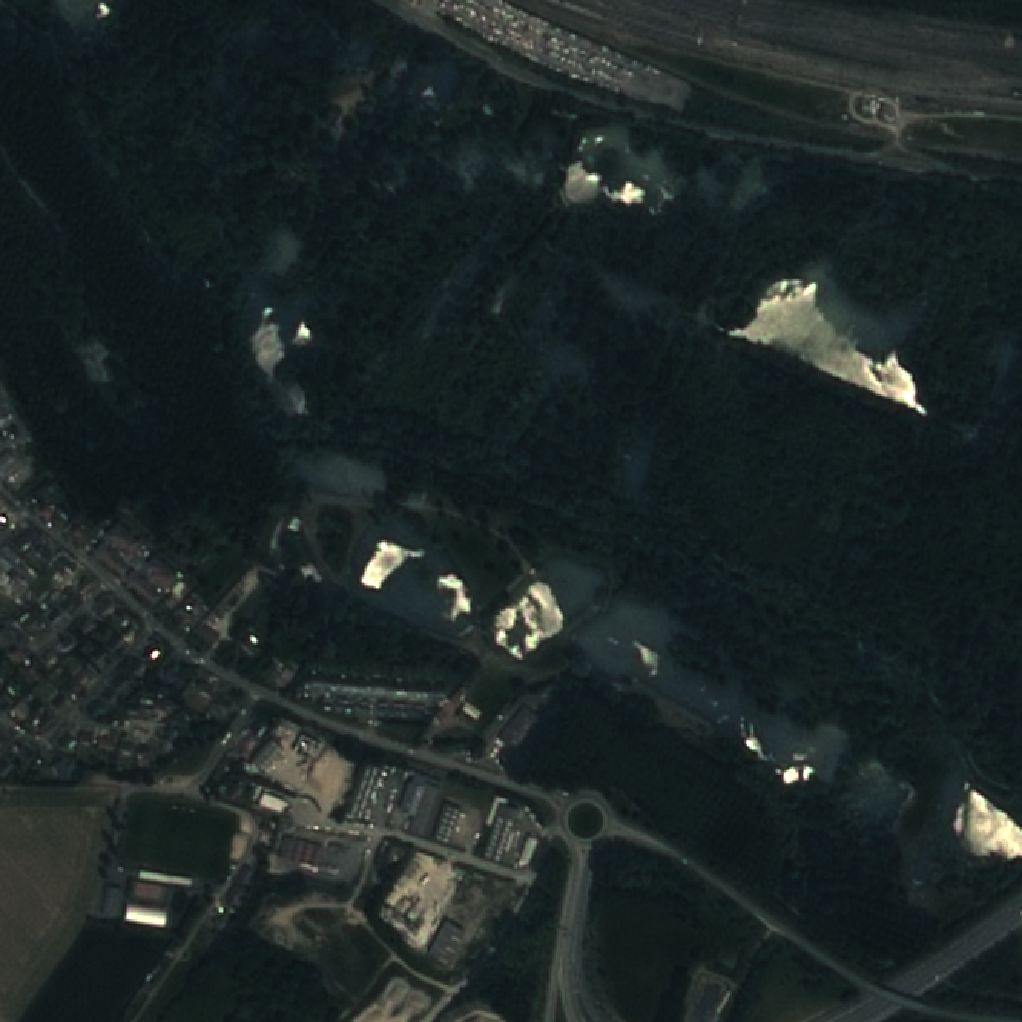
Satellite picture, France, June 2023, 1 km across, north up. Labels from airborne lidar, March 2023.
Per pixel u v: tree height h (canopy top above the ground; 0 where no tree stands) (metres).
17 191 27
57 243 28
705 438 9
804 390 27
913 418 10
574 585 0
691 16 0
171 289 33
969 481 12
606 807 0
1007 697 7
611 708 23
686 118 8
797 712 18
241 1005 13
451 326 15
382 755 10
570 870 0
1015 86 0
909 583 17
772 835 25
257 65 9
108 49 31
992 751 13
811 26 0
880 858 21
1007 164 9
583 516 19
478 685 0
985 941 0
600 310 27
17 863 0
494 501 12
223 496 16
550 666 0
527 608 0
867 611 9
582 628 0
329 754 0
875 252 15
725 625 20
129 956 0
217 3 17
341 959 0
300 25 16
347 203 16
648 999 0
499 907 0
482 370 7
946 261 7
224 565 0
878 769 0
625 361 29
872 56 0
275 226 9
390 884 12
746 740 0
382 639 11
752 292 13
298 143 18
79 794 0
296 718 9
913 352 7
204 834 0
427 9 0
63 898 0
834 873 32
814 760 0
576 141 6
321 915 0
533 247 6
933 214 25
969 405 14
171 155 16
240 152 21
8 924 0
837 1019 0
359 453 7
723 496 8
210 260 12
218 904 0
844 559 18
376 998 0
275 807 0
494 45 10
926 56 0
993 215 15
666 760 31
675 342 8
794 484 9
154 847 0
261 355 0
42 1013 0
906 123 0
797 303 0
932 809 0
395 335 11
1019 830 0
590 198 0
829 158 8
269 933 0
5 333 28
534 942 13
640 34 0
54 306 15
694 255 21
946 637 27
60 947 0
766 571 20
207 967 9
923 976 0
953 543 13
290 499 14
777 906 8
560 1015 0
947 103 0
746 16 0
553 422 26
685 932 0
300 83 17
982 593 9
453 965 0
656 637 0
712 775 30
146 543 0
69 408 29
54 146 33
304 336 0
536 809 8
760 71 0
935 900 0
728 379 7
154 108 15
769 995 0
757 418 10
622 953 0
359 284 12
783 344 0
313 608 25
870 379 0
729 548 15
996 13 9
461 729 0
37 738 0
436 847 0
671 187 0
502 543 10
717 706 0
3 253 28
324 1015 13
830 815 17
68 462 32
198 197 23
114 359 6
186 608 0
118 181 12
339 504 0
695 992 0
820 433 9
